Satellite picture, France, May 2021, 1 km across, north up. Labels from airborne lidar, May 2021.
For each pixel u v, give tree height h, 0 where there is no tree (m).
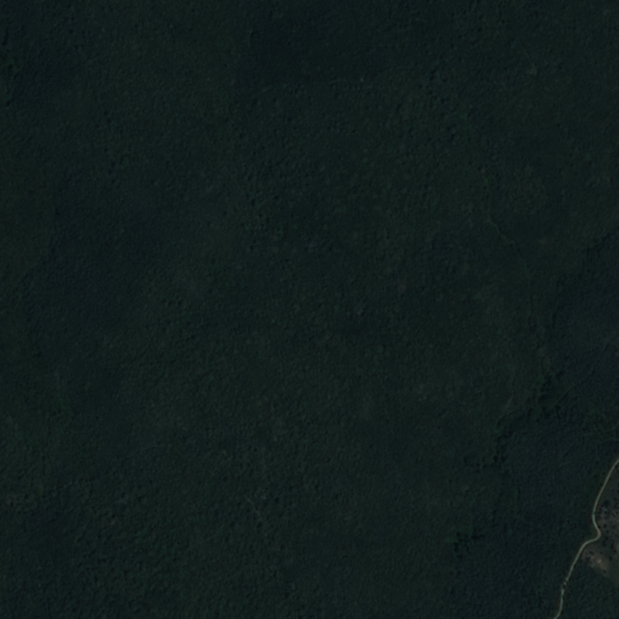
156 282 8
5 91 7
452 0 6
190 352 12
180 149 7
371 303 14
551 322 15
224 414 8
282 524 6
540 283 10
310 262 9
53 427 8
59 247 11
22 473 12
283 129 6
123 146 10
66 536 15
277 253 9
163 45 9
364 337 10
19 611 14
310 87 7
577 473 8
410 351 11
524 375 7
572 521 10
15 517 13
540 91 7
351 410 9
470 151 8
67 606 8
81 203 12
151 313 7
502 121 9
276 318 9
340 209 9
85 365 7
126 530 8
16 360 13
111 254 8
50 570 11
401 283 14
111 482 7
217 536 8
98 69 9
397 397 10
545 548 12
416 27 7
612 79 10
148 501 10
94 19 6
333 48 6
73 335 6
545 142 10
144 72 6
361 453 7
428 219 9
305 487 9
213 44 8
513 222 7
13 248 11
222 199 7
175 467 8
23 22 9
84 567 16
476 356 11
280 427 12
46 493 7
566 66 11
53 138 5
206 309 9
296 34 8
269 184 12
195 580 7
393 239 12
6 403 10
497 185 7
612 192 12
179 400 7
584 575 6
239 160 11
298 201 8
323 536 8
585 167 12
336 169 7
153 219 6
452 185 7
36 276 12
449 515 13
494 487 14
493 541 16
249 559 12
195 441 9
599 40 9
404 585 12
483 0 17
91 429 9
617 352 7
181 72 10
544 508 9
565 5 8
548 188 11
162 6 9
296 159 10
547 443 12
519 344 9
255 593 10
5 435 10
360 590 9
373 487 8
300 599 14
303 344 10
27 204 15
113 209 11
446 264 11
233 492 8
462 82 6
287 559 11
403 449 11
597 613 5
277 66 8
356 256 11
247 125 8
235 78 12
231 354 7
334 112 7
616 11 6
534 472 9
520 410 7
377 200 9
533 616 8
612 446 12
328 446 9
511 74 8
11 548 10
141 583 11
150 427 5
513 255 12
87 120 6
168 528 11
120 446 6
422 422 8
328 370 7
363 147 6
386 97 8
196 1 9
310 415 9
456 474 15
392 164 7
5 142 11
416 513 11
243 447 9
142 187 7
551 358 14
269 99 7
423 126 9
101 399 6
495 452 8
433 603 14
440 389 8
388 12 7
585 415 12
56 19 8
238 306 11
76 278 8
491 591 10
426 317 10
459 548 27
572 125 13
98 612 16
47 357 12
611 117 12
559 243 9
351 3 6
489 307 7
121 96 6
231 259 8
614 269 7
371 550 11
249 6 11
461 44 8
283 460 7
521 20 11
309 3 6
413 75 8
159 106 7
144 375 7
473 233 11
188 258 7
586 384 6
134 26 8
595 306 7
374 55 13
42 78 9
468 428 10
